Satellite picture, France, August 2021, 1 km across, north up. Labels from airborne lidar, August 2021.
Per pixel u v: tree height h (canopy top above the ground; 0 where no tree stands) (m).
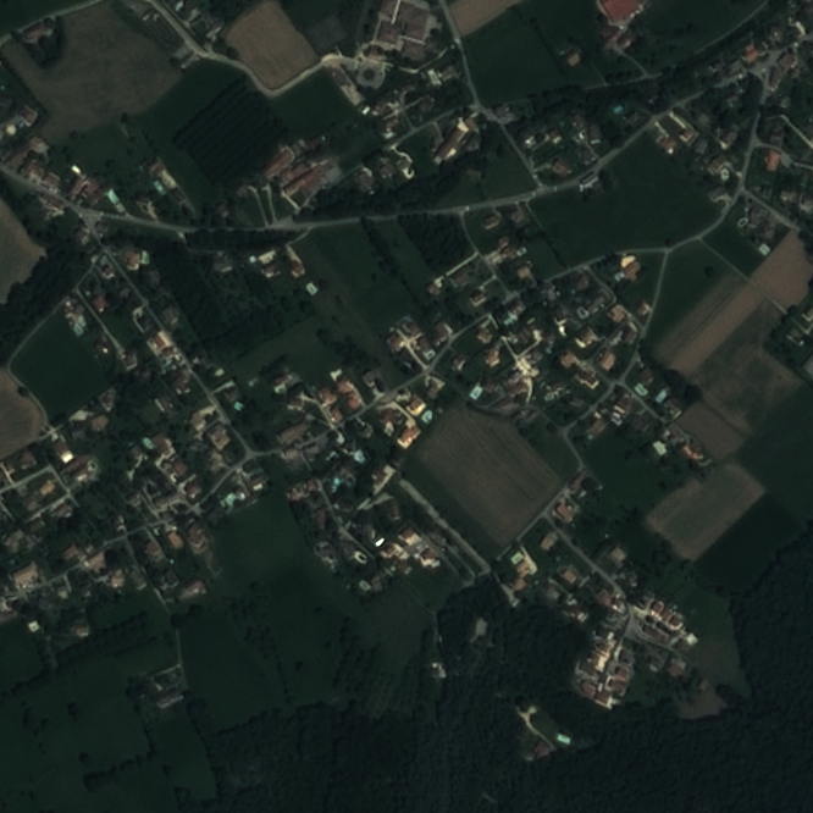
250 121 14
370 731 18
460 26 0
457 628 20
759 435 0
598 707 7
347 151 0
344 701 0
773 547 0
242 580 0
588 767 17
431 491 0
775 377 0
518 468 0
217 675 0
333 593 0
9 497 11
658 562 8
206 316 15
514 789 16
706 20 0
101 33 0
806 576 16
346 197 10
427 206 15
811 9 0
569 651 14
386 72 0
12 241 0
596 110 10
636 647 8
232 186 9
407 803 18
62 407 0
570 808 13
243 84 8
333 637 0
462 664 14
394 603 0
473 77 0
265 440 13
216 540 0
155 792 0
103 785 13
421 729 13
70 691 0
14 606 9
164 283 9
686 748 23
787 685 17
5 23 0
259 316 15
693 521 0
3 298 0
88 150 0
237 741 15
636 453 9
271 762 14
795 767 23
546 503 0
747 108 13
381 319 0
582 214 0
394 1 0
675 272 0
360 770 20
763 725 29
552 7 0
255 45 0
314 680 0
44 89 0
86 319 0
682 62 6
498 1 0
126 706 0
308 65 0
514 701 11
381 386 15
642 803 24
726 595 15
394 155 0
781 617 20
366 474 6
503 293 6
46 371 0
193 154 10
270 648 13
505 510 0
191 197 0
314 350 0
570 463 0
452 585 0
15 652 0
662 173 0
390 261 15
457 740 8
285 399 9
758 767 22
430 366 0
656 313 0
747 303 0
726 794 21
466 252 15
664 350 0
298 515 14
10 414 0
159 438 0
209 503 7
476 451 0
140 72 0
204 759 0
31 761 0
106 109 0
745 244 0
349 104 0
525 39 0
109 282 10
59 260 17
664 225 0
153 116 0
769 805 23
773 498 0
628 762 18
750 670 16
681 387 17
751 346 0
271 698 0
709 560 0
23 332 13
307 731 21
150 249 6
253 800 16
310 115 0
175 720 0
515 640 11
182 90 0
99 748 0
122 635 12
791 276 0
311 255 0
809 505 0
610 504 0
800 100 9
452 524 9
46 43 17
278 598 0
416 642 0
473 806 12
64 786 0
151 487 7
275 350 0
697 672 9
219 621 0
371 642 0
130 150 8
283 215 0
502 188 0
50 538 6
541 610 15
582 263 0
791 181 7
